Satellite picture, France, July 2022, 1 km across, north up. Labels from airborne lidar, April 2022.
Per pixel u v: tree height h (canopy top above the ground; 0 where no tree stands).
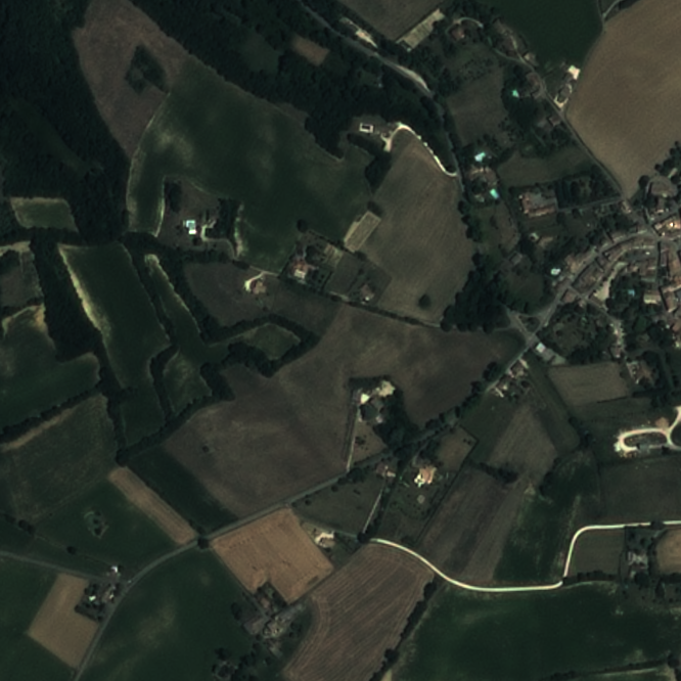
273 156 0
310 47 0
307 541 0
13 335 0
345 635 0
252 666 24
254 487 0
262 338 0
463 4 6
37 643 0
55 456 0
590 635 0
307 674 0
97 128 7
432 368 0
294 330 10
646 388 9
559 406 0
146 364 0
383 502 7
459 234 0
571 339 0
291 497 0
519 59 0
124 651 0
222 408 0
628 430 0
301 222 9
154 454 0
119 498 0
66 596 0
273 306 0
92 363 0
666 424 0
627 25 0
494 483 0
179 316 0
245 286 0
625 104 0
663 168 8
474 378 0
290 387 0
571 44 0
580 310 11
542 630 0
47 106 16
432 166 0
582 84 0
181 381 0
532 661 0
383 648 0
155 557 0
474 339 0
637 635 0
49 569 0
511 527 0
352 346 0
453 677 0
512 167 0
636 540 17
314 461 0
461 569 0
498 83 0
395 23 0
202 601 0
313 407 0
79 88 8
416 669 0
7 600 0
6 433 14
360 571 0
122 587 10
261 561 0
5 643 0
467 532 0
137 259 7
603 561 0
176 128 0
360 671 0
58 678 0
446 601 0
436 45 0
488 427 0
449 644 0
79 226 9
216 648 0
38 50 20
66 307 7
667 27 0
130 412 0
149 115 0
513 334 0
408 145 0
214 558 0
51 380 0
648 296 0
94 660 0
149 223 0
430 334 0
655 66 0
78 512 0
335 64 0
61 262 7
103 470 0
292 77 9
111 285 0
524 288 0
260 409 0
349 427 0
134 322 0
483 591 0
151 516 0
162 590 0
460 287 0
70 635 0
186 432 0
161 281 0
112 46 0
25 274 0
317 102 15
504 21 8
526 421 0
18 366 0
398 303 0
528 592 0
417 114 10
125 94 0
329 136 12
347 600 0
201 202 0
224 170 0
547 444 0
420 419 0
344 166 0
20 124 12
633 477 0
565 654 0
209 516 0
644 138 0
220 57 15
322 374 0
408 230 0
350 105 14
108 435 0
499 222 0
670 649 0
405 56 19
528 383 9
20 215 0
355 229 0
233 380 0
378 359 0
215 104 0
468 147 8
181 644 0
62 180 17
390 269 0
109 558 0
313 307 0
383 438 7
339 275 0
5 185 8
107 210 12
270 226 0
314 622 0
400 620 0
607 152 0
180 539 0
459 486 0
